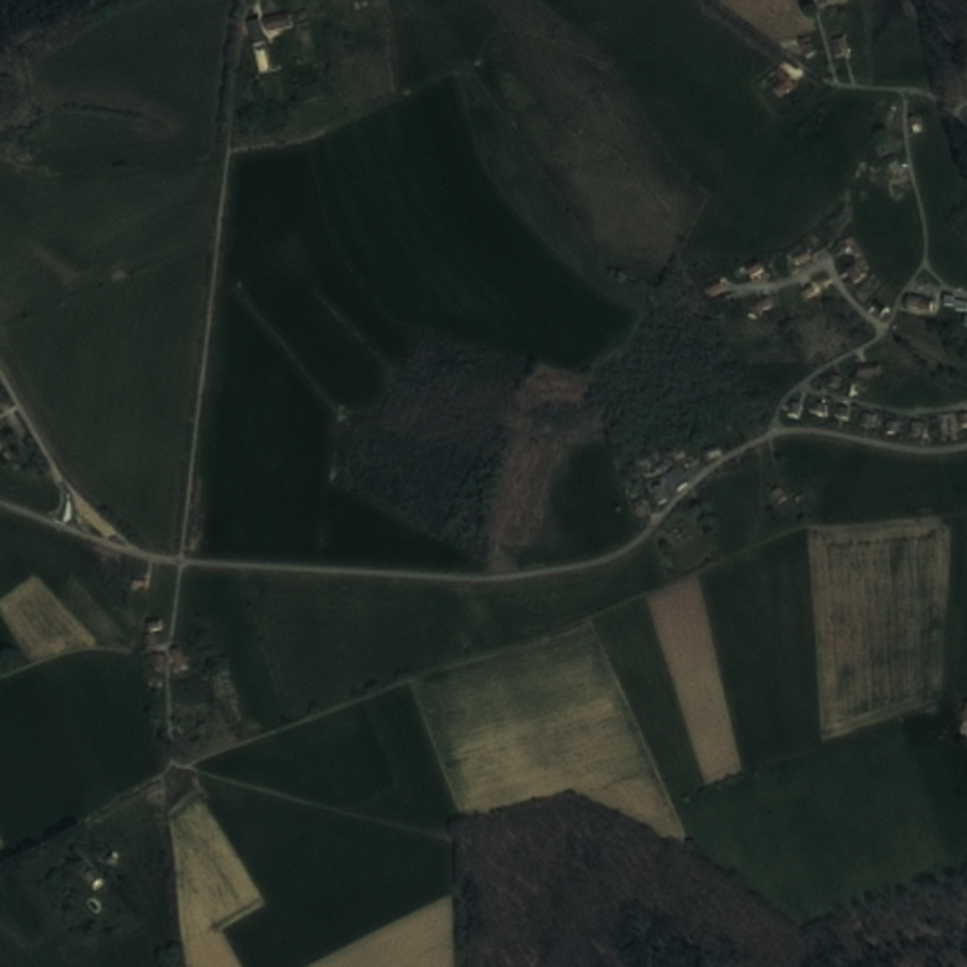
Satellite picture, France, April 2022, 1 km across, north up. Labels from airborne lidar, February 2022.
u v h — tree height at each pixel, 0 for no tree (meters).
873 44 0
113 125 0
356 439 0
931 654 0
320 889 0
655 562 0
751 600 0
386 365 0
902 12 0
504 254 0
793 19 0
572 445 0
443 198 0
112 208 0
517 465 0
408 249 0
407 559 0
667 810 0
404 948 0
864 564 0
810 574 0
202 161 0
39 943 0
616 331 0
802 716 0
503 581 0
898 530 0
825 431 0
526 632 0
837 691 0
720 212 0
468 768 0
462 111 0
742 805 0
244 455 0
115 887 8
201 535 0
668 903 14
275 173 0
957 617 0
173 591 0
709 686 0
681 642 0
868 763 0
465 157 0
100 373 0
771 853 0
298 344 0
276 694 0
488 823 15
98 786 0
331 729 0
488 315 0
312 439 0
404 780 0
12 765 0
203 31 0
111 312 0
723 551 0
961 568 0
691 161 0
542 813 15
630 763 0
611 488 0
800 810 0
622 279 11
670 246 0
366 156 0
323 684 0
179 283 0
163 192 0
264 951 0
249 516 0
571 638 0
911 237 0
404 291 0
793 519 0
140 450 0
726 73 0
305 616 0
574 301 0
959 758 0
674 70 0
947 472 0
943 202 0
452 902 0
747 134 0
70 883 12
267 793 0
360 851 0
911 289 0
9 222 0
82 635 0
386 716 0
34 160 0
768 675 0
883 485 0
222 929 0
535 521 0
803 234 0
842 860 0
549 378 0
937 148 0
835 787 0
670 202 0
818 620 0
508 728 0
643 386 12
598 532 0
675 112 0
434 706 0
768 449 0
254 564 0
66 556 0
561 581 0
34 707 0
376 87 0
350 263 0
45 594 0
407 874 0
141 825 0
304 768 0
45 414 0
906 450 0
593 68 0
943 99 19
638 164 0
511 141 0
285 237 0
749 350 0
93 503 0
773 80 0
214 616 0
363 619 0
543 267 0
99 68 0
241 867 0
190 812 0
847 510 0
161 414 0
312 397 0
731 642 0
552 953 19
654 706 0
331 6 0
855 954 19
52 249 0
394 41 0
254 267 0
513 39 0
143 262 0
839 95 0
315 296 0
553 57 0
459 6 0
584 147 0
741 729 0
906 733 0
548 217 0
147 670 9
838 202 0
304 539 0
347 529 0
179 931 0
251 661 0
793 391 0
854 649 0
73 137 0
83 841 15
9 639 0
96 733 0
